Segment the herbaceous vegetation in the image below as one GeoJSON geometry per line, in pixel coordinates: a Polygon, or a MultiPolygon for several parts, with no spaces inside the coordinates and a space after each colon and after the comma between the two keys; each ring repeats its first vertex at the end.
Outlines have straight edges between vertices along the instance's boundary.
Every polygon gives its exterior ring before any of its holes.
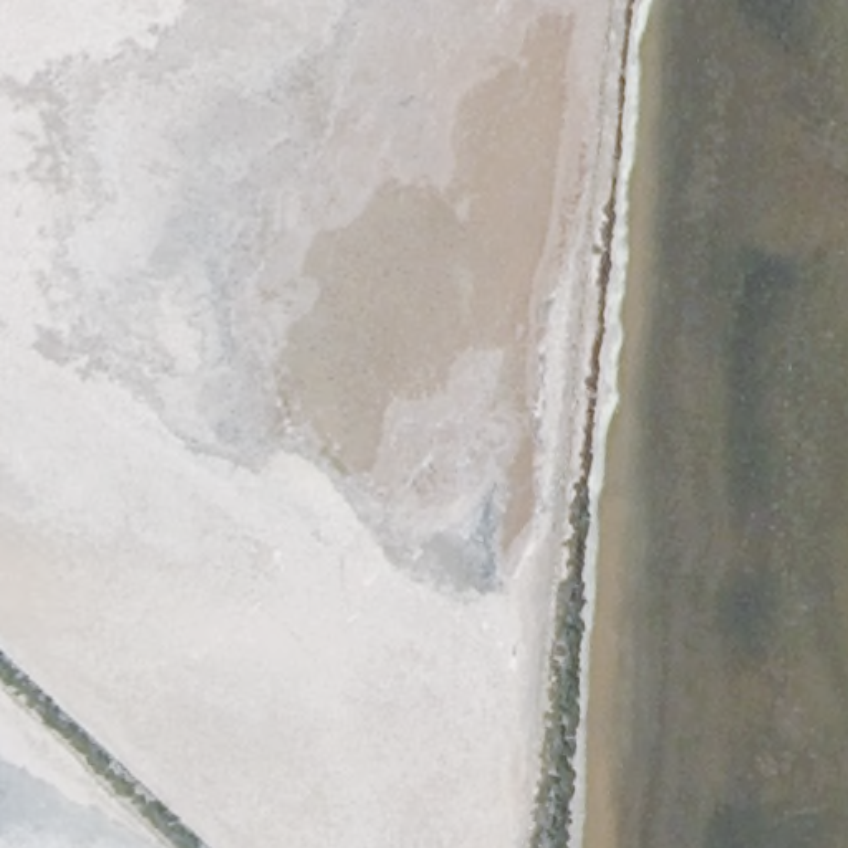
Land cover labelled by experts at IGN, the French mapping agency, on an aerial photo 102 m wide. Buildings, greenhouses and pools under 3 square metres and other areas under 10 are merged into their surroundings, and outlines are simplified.
{"type": "Polygon", "coordinates": [[[179,815],[172,815],[159,798],[152,798],[136,778],[129,778],[129,772],[99,742],[93,742],[30,676],[23,676],[0,653],[0,682],[13,689],[13,696],[23,696],[27,709],[33,709],[46,729],[63,735],[70,749],[80,752],[86,765],[176,848],[205,848],[192,828],[179,822],[179,815]]]}

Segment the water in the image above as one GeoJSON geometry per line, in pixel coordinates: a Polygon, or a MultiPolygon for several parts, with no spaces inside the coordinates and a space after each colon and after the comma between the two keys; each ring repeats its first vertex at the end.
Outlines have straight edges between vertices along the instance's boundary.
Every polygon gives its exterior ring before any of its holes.
{"type": "Polygon", "coordinates": [[[629,172],[629,258],[626,292],[619,305],[623,348],[616,364],[619,401],[606,431],[606,470],[600,490],[583,848],[848,848],[848,0],[653,0],[646,33],[639,40],[639,123],[636,159],[629,172]]]}
{"type": "Polygon", "coordinates": [[[543,388],[547,364],[540,341],[547,335],[547,318],[553,305],[550,295],[566,262],[570,229],[586,176],[586,103],[573,89],[576,76],[566,70],[576,17],[543,13],[537,27],[530,27],[523,36],[527,66],[504,66],[494,80],[477,83],[457,103],[457,123],[451,136],[454,176],[447,189],[401,186],[398,179],[384,179],[354,222],[318,232],[311,239],[301,268],[308,278],[318,282],[318,301],[305,318],[288,325],[285,351],[272,361],[282,404],[268,414],[268,434],[282,441],[285,421],[311,424],[321,441],[318,457],[335,474],[348,477],[374,467],[384,437],[384,411],[394,398],[434,398],[447,388],[454,361],[467,348],[500,348],[504,368],[497,388],[513,404],[513,424],[520,434],[513,464],[507,467],[510,500],[504,513],[500,547],[507,553],[523,540],[533,520],[533,460],[540,421],[533,417],[533,404],[543,388]]]}

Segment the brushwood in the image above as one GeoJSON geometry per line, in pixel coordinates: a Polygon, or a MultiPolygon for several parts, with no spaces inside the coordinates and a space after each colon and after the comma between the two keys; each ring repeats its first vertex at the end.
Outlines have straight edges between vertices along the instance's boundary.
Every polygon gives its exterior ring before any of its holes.
{"type": "Polygon", "coordinates": [[[606,341],[606,295],[613,272],[616,186],[626,119],[626,66],[636,0],[626,0],[619,33],[610,195],[603,242],[596,248],[596,335],[590,348],[583,454],[570,517],[570,576],[563,580],[557,600],[557,639],[550,649],[553,706],[547,712],[550,725],[543,732],[540,749],[540,792],[533,805],[530,848],[566,848],[573,749],[580,722],[590,470],[600,404],[600,358],[606,341]]]}

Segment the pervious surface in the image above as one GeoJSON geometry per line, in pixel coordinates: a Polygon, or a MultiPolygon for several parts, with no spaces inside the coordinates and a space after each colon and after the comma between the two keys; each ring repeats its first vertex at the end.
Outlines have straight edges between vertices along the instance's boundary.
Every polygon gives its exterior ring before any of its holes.
{"type": "Polygon", "coordinates": [[[639,123],[639,40],[646,33],[653,0],[636,0],[626,66],[626,119],[616,186],[613,272],[606,295],[606,341],[600,358],[600,404],[590,470],[580,722],[573,749],[566,848],[583,848],[600,490],[606,470],[606,431],[619,401],[616,364],[623,348],[619,305],[626,292],[629,258],[629,172],[636,159],[639,123]]]}
{"type": "Polygon", "coordinates": [[[619,33],[626,0],[0,0],[0,653],[23,676],[30,676],[93,742],[99,742],[129,772],[129,778],[136,778],[152,798],[159,798],[172,815],[179,815],[179,822],[192,828],[205,848],[530,848],[533,805],[540,792],[540,749],[543,732],[550,725],[547,712],[553,706],[550,649],[557,639],[557,600],[563,580],[570,576],[570,517],[583,454],[590,348],[596,335],[596,248],[603,242],[610,195],[619,33]],[[398,179],[401,186],[447,189],[454,176],[451,136],[457,123],[457,103],[477,83],[494,80],[504,66],[527,66],[523,36],[530,27],[537,27],[543,13],[576,17],[566,70],[576,76],[573,89],[586,103],[586,176],[570,229],[566,262],[550,295],[553,305],[547,318],[547,335],[540,341],[547,364],[543,388],[533,404],[533,417],[540,421],[533,460],[533,520],[523,540],[507,553],[500,547],[504,513],[510,500],[507,467],[513,464],[520,434],[513,424],[513,404],[497,388],[504,368],[500,348],[467,348],[454,361],[447,388],[434,398],[394,398],[384,411],[384,437],[374,467],[348,477],[335,474],[318,457],[321,441],[311,424],[285,421],[282,441],[268,434],[268,414],[282,404],[272,361],[285,351],[288,325],[305,318],[318,301],[318,282],[308,278],[301,268],[311,239],[318,232],[354,222],[384,179],[398,179]]]}
{"type": "Polygon", "coordinates": [[[0,848],[176,848],[86,765],[80,752],[70,749],[63,735],[46,729],[33,709],[27,709],[23,696],[13,696],[13,689],[0,682],[0,848]]]}

